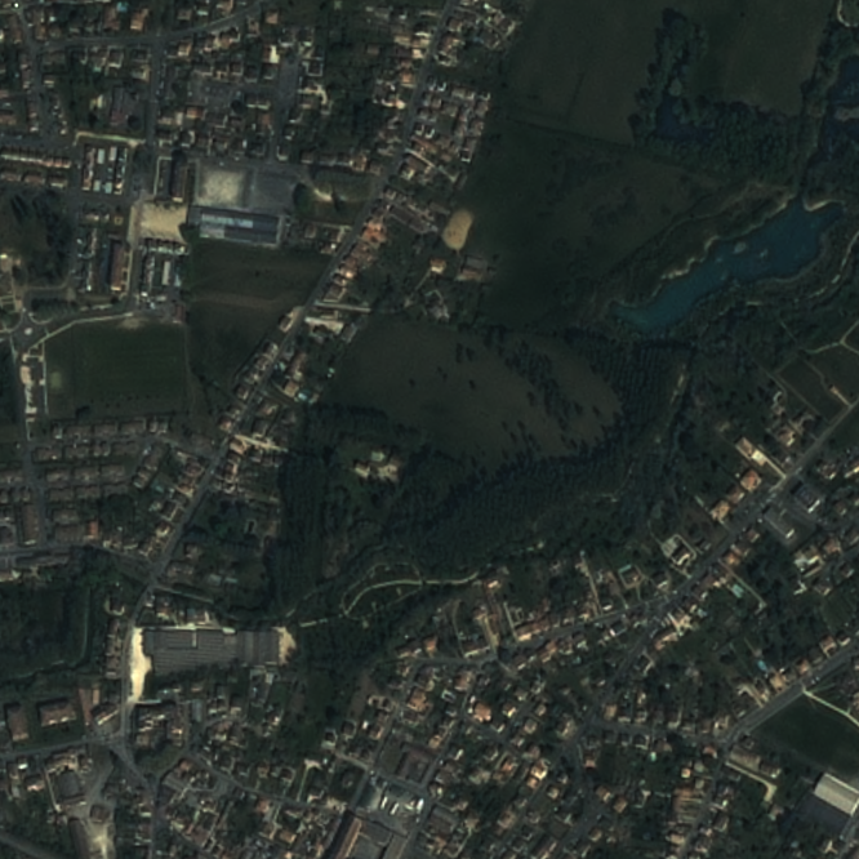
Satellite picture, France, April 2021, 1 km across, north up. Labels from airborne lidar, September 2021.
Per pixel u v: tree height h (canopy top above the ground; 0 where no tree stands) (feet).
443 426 0
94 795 0
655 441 104
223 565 38
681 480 42
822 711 0
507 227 0
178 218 0
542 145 0
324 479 85
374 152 19
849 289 31
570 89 0
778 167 103
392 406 0
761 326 78
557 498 104
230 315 0
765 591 48
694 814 0
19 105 0
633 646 0
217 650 0
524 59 0
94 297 0
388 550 31
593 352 96
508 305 0
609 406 0
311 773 0
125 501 23
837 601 0
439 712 19
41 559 0
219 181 0
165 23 38
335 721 74
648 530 60
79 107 31
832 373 0
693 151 79
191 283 52
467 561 99
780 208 0
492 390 0
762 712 0
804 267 26
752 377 48
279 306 0
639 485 72
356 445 52
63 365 0
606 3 0
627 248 0
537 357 52
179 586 25
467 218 0
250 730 20
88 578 47
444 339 0
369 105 37
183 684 28
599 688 28
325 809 0
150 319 0
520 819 0
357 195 79
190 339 0
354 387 0
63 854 21
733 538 0
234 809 21
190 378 0
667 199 0
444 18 0
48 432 29
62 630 0
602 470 90
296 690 22
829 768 0
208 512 20
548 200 0
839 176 71
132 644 0
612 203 0
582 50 0
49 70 33
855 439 0
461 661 0
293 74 0
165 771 54
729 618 0
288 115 27
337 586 51
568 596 25
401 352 0
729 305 21
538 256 0
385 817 0
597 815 0
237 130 21
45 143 0
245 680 0
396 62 34
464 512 98
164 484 0
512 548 31
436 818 0
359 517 32
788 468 30
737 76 0
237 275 0
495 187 0
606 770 0
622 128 0
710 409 40
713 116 95
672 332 32
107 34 20
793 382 0
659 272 0
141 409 0
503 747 29
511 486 87
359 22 0
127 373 0
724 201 0
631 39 0
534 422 0
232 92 0
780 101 0
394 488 23
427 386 0
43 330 0
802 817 40
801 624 36
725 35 0
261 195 0
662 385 102
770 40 0
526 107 0
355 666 45
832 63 81
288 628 27
